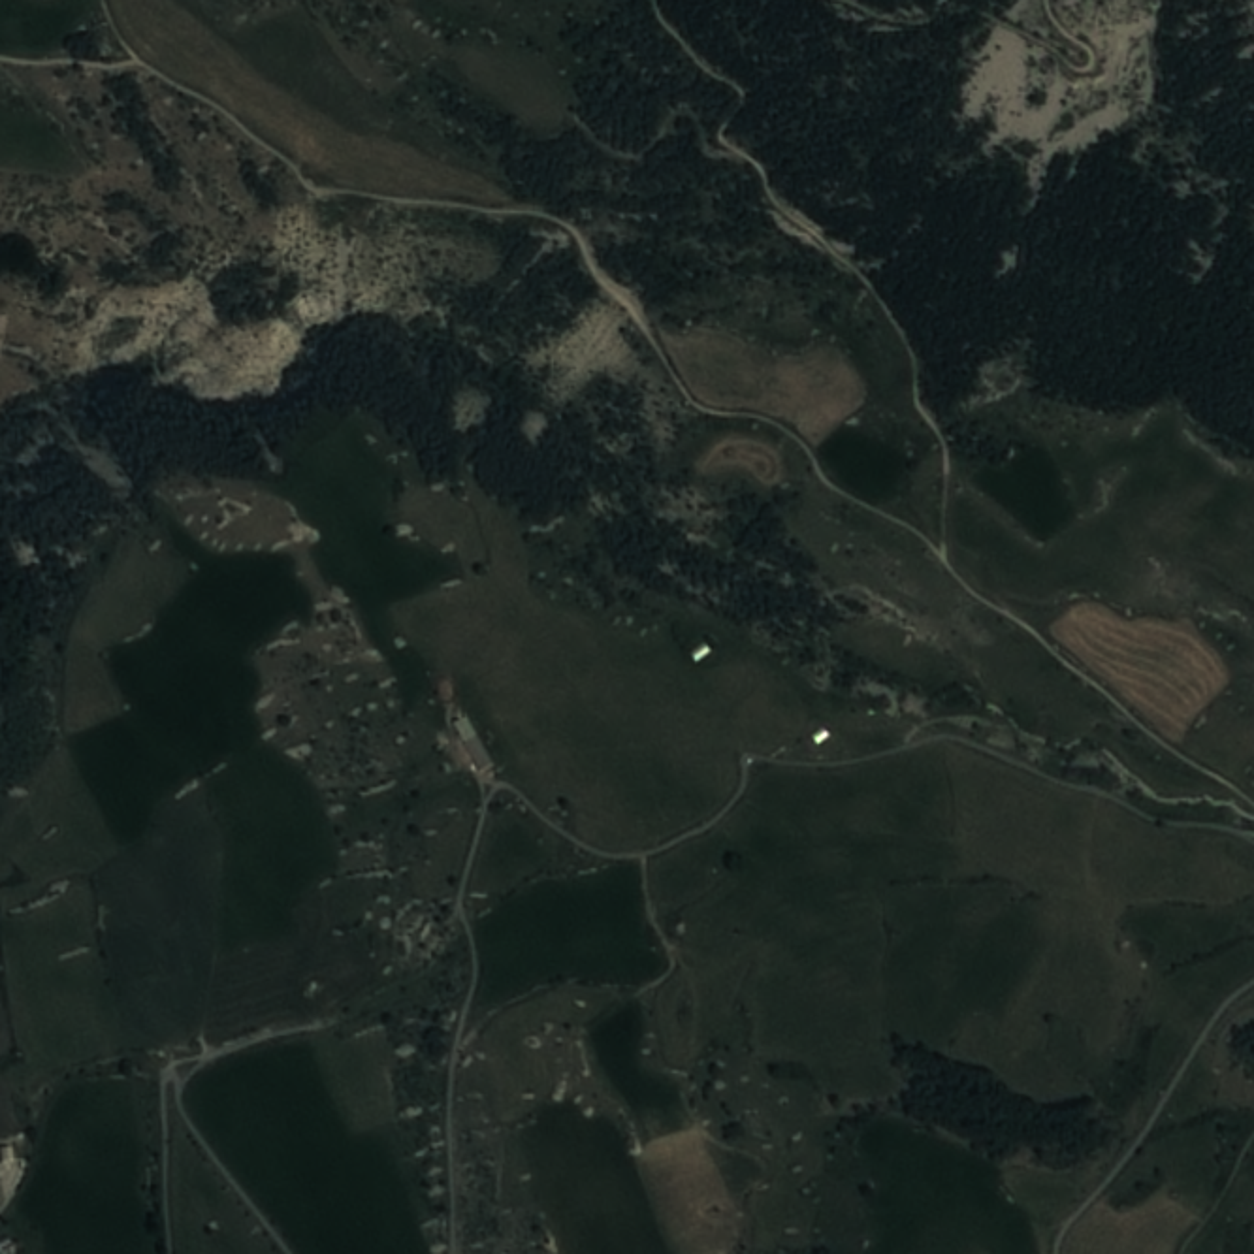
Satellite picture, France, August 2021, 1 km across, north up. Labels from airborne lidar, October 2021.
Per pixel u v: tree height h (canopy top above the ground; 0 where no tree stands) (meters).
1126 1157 0
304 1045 0
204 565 0
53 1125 0
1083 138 0
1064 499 0
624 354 0
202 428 13
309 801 0
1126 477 0
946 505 0
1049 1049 0
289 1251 0
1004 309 9
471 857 0
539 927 0
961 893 0
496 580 0
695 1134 0
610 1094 0
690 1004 0
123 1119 0
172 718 0
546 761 0
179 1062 0
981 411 0
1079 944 0
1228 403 8
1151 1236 0
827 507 0
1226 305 11
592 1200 0
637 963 0
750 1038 0
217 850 0
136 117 6
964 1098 19
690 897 0
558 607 0
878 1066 0
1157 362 11
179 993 0
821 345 0
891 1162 0
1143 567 0
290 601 0
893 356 0
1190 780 0
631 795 0
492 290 6
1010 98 0
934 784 0
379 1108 0
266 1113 0
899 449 0
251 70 0
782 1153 0
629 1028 0
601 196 8
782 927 0
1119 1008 0
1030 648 0
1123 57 0
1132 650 0
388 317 7
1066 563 0
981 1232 0
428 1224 0
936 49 6
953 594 0
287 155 0
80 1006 0
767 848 0
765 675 0
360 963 0
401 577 0
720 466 0
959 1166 0
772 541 9
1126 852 0
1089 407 9
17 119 0
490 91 0
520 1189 0
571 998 0
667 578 8
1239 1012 0
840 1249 0
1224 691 0
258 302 8
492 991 0
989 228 9
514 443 10
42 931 0
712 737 0
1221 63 9
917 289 11
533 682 0
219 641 0
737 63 10
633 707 0
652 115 9
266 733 0
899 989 0
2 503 6
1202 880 0
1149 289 8
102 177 0
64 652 10
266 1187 0
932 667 0
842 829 0
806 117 7
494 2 0
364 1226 0
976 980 0
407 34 0
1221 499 0
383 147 0
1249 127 7
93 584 0
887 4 9
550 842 0
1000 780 0
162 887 0
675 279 6
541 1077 0
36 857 0
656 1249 0
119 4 0
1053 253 8
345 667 0
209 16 0
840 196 7
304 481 0
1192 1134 0
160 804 0
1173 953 0
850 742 0
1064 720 0
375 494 0
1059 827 0
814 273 7
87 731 0
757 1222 0
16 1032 0
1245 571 0
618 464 9
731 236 8
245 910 0
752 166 6
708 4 10
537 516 10
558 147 8
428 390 9
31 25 0
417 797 9
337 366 11
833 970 0
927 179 8
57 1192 0
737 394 0
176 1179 0
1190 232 8
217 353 0
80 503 9
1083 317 9
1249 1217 0
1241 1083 0
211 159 0
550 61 0
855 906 0
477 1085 0
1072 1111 19
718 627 0
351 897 0
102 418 11
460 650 0
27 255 19
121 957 0
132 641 0
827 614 7
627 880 0
